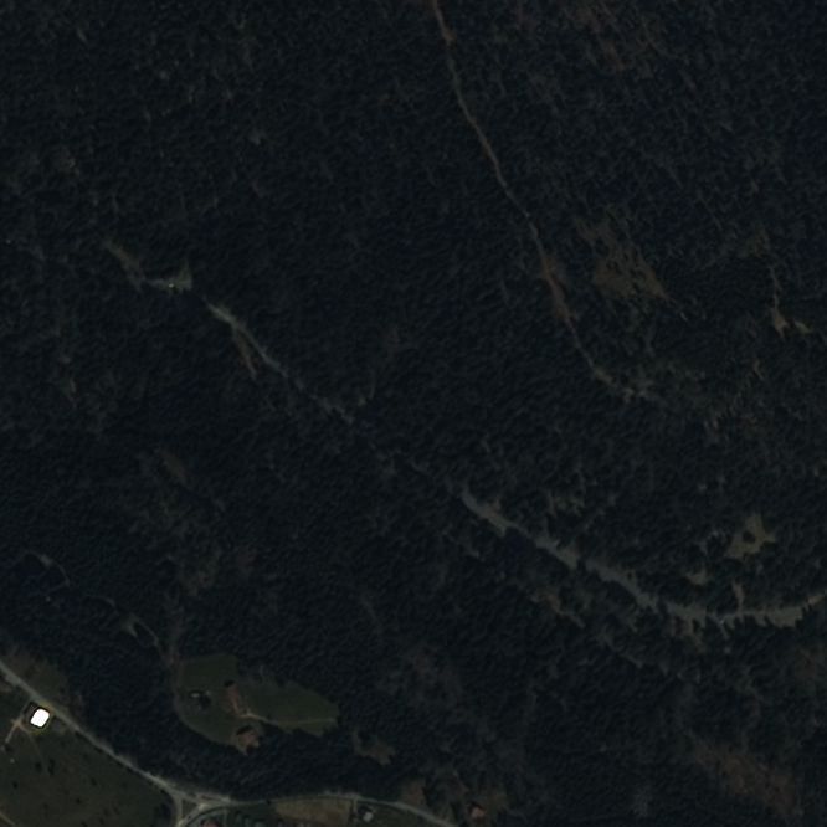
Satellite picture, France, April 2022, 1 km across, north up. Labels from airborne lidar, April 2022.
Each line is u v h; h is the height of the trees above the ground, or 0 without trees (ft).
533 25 83
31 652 58
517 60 91
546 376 66
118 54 102
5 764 0
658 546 74
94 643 108
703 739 60
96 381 96
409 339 122
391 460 120
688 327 61
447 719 103
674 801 80
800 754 71
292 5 25
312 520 87
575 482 87
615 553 65
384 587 89
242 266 81
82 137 125
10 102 127
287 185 84
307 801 0
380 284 108
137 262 56
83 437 101
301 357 107
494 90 76
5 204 114
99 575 84
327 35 95
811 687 80
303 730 0
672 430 69
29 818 0
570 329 25
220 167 89
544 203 28
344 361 89
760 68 113
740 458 91
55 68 118
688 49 121
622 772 76
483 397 60
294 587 105
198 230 106
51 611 100
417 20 56
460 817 93
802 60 116
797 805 77
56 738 0
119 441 69
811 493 115
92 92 122
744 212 97
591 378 30
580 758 79
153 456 109
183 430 66
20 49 121
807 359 93
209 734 0
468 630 92
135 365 91
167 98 111
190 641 90
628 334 70
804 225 54
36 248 93
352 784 94
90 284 105
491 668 88
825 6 72
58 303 96
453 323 82
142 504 123
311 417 110
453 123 71
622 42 70
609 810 94
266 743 31
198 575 112
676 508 89
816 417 74
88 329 115
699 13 67
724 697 108
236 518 73
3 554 104
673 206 56
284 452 95
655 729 75
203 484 73
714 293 21
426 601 62
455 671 51
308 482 76
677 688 111
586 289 44
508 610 112
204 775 77
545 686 72
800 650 62
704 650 63
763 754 69
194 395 77
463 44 31
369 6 54
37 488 93
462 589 97
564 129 65
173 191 109
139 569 87
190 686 0
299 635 83
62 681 0
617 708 79
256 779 89
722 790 79
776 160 63
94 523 94
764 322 27
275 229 104
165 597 89
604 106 59
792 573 87
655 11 96
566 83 109
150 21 93
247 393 95
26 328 96
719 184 107
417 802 0
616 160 52
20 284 95
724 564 65
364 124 34
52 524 94
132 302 104
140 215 77
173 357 74
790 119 105
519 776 90
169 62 102
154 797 0
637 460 79
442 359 57
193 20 107
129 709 77
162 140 84
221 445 63
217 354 79
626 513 82
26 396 109
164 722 70
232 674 0
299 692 0
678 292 35
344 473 89
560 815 52
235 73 53
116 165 126
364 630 108
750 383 41
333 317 101
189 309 97
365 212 76
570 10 73
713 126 58
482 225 67
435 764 104
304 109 89
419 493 71
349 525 84
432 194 115
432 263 99
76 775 0
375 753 0
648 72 68
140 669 94
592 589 82
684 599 72
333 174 67
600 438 46
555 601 27
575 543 23
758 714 62
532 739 80
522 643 113
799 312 65
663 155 61
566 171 26
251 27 30
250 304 93
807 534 86
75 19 101
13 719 0
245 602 77
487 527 51
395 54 95
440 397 106
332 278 73
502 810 0
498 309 115
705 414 47
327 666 91
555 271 0
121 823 0
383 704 80
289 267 111
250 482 89
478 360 86
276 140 74
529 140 92
